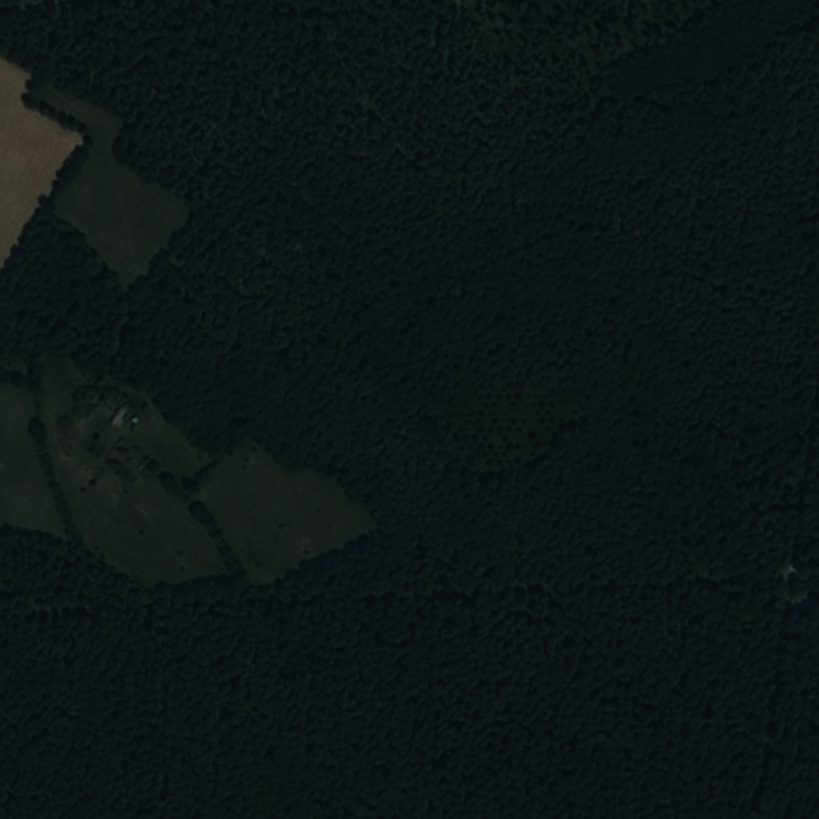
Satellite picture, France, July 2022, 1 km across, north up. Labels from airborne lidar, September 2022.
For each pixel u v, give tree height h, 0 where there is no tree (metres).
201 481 9
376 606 26
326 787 25
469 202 23
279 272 23
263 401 23
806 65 23
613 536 31
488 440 10
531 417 0
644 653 29
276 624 28
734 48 16
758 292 27
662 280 24
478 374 20
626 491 29
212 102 28
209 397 24
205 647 25
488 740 23
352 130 24
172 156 24
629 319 22
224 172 23
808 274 26
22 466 0
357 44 27
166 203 0
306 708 24
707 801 27
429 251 22
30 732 25
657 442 27
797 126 22
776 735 27
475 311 23
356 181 24
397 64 26
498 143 25
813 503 32
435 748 26
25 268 24
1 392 0
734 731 25
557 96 24
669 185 21
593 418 20
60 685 24
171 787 25
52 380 0
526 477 22
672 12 29
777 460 21
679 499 32
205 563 0
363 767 28
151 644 28
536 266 26
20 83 0
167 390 22
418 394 22
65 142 0
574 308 25
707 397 18
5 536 19
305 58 28
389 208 25
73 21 27
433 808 26
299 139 24
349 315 28
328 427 27
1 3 23
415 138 26
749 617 22
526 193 23
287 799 20
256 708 25
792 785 30
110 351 24
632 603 28
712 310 24
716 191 22
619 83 18
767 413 20
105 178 0
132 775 17
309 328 26
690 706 24
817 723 12
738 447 18
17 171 0
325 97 13
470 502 29
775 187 25
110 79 22
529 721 30
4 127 0
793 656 29
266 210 21
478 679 25
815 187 22
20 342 24
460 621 28
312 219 24
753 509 34
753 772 27
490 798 28
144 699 17
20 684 25
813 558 14
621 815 26
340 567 28
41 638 21
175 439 0
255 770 26
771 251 24
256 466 0
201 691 28
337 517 0
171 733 26
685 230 27
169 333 22
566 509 28
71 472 0
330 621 26
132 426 7
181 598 26
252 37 29
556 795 32
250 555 0
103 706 21
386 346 22
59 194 11
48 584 24
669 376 15
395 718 29
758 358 21
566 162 18
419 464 29
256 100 29
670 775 29
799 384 22
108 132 0
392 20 27
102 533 0
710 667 26
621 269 15
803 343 26
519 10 29
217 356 23
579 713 29
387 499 27
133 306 22
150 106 25
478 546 31
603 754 30
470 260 24
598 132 21
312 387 27
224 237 25
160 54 28
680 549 29
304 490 0
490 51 7
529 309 25
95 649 26
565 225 25
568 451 23
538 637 29
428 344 26
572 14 6
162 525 0
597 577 27
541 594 21
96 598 14
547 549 29
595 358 27
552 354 27
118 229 0
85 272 21
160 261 18
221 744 26
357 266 23
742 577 26
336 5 27
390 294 21
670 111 22
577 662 30
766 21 16
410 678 28
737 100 21
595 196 18
